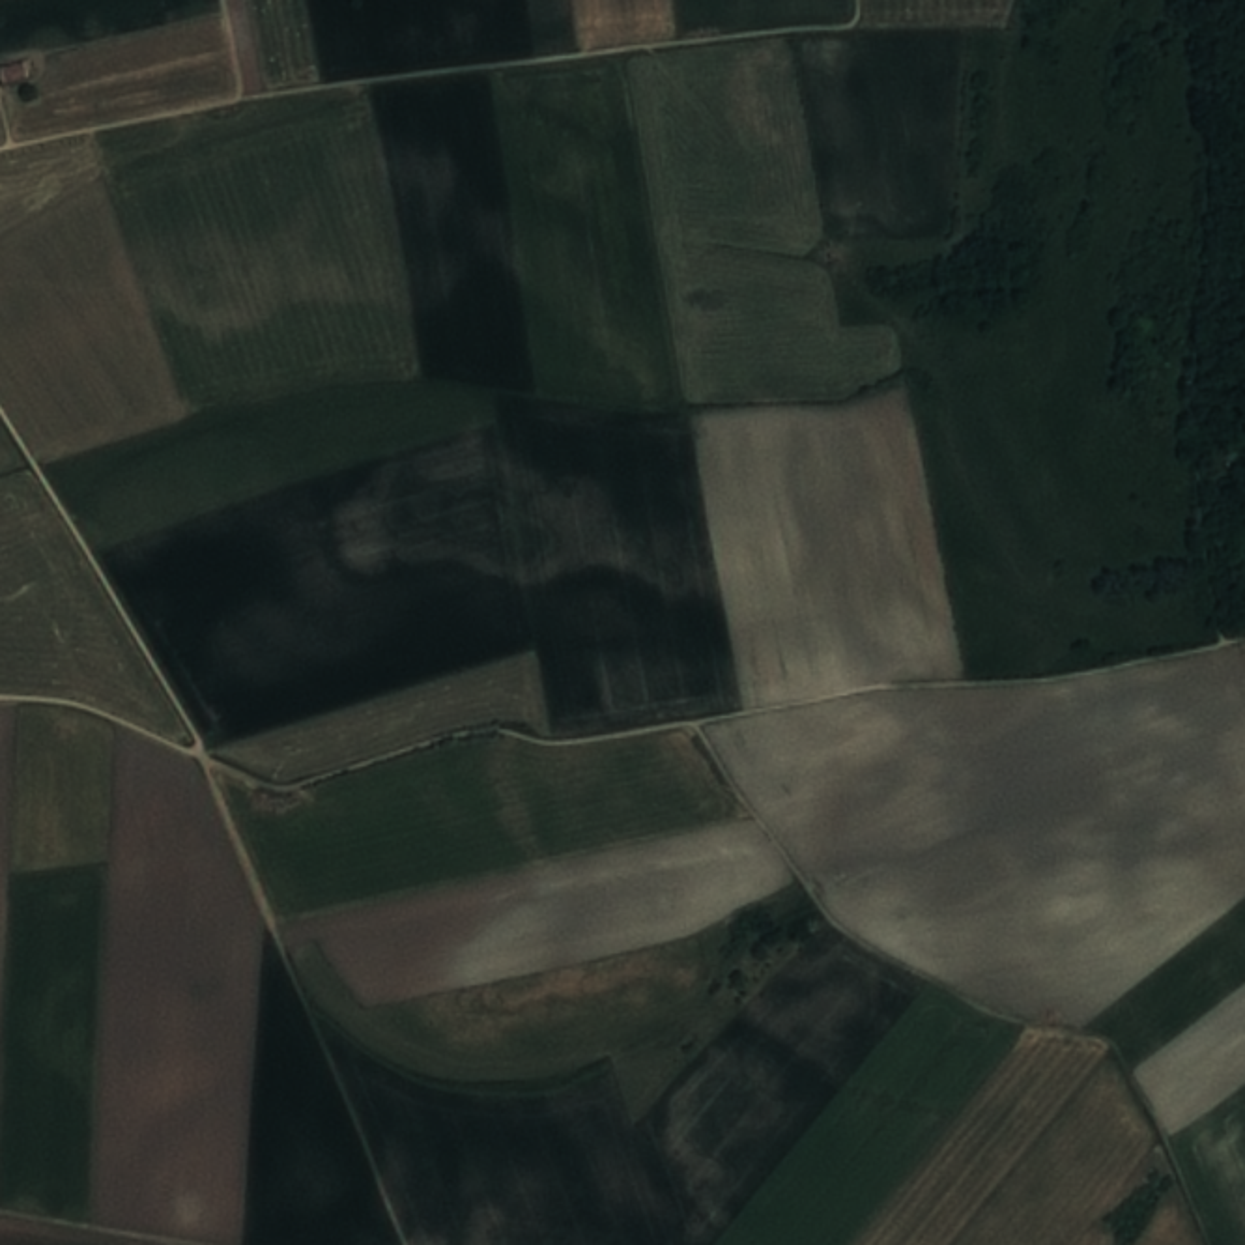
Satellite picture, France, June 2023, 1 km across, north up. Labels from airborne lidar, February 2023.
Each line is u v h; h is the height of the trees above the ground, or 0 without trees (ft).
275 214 0
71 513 0
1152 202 0
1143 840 0
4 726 0
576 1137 0
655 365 0
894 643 0
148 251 0
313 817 0
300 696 0
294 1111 0
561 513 0
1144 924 0
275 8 0
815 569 0
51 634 0
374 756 0
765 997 0
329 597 0
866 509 0
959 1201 0
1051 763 0
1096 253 0
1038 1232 0
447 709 0
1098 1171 0
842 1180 0
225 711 0
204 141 0
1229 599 24
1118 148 0
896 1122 0
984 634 0
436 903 0
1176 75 0
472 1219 0
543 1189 0
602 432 0
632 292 0
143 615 0
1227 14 72
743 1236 0
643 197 0
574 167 0
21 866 0
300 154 0
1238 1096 0
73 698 0
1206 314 46
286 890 0
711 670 0
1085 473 0
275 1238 0
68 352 0
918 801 0
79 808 0
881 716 0
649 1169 0
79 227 0
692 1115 0
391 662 0
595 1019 0
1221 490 22
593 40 0
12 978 0
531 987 0
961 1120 0
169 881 0
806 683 0
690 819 0
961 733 0
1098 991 0
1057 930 0
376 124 0
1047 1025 0
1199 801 0
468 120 0
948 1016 0
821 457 0
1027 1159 0
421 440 0
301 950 0
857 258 0
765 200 0
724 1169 0
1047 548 0
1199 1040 0
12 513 0
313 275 0
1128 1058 0
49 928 0
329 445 0
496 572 0
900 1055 0
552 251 0
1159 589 45
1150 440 0
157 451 0
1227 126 64
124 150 0
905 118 0
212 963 0
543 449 0
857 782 0
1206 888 0
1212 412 49
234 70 0
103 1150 0
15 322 0
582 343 0
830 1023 0
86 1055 0
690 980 0
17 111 0
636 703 0
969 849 0
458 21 0
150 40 0
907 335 0
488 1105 0
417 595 0
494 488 0
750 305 0
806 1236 0
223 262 0
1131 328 44
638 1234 0
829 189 0
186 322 0
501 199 0
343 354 0
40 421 0
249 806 0
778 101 0
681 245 0
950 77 0
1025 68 0
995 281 41
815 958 0
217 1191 0
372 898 0
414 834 0
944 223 0
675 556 0
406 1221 0
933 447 0
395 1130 0
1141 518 0
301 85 0
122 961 0
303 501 0
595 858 0
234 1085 0
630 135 0
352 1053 0
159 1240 0
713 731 0
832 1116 0
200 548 0
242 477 0
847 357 0
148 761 0
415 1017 0
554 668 0
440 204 0
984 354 0
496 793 0
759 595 0
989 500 0
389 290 0
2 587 0
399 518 0
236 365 0
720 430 0
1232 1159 0
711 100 0
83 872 0
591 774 0
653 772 0
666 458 0
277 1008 0
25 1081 0
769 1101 0
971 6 0
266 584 0
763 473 0
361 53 0
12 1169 0
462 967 0
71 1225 0
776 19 0
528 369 0
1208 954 0
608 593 0
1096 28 0
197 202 0
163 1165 0
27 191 0
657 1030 0
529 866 0
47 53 0
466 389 0
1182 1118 0
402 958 0
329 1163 0
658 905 0
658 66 0
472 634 0
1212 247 50
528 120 0
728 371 0
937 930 0
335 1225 0
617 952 0
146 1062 0
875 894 0
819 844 0
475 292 0
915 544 0
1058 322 0
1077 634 0
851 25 0
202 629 0
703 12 0
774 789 0
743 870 0
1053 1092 0
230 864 0
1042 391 0
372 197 0
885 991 0
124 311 0
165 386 0
